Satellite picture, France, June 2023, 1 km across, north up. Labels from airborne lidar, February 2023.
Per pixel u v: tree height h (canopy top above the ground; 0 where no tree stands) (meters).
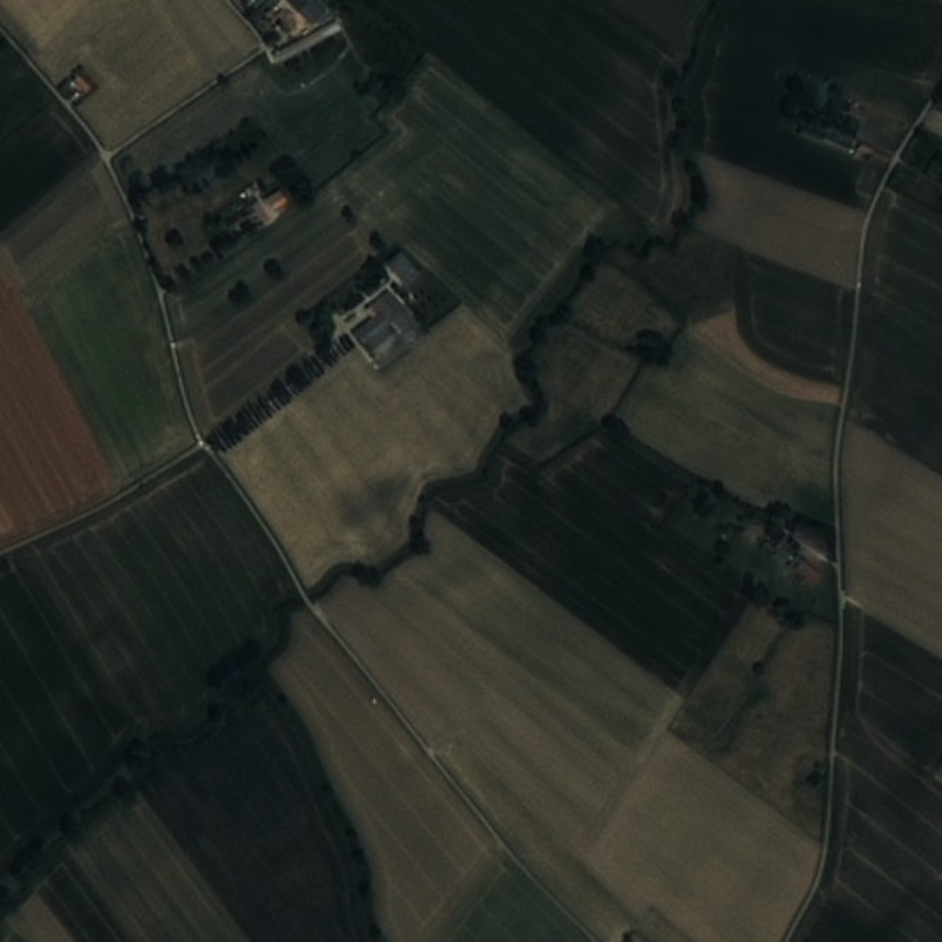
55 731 0
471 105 0
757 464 0
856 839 0
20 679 0
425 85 0
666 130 0
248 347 0
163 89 0
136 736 0
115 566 0
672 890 0
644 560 0
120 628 0
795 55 0
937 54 0
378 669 0
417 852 0
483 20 0
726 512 0
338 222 0
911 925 0
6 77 0
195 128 0
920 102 0
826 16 0
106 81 0
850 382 0
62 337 0
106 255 0
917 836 0
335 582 0
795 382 0
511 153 0
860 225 0
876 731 0
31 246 0
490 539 0
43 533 0
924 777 0
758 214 0
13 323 0
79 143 0
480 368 0
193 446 0
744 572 0
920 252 0
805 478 0
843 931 0
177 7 0
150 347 0
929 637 0
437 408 0
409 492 0
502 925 0
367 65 0
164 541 0
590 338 0
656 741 0
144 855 0
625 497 0
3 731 0
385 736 0
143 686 0
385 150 0
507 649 0
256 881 0
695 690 0
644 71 0
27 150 0
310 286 0
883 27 0
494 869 0
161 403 0
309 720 0
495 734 0
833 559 7
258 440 0
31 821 0
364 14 0
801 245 0
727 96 0
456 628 0
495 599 0
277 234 0
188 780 0
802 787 0
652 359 13
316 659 0
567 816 0
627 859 0
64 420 0
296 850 0
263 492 0
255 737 0
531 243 0
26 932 0
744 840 0
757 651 0
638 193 0
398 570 0
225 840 0
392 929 0
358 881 0
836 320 0
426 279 0
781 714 0
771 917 0
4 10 0
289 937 0
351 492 0
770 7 0
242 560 0
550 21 0
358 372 0
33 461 0
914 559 0
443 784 0
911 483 0
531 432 0
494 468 0
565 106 0
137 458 0
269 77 0
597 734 0
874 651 0
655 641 0
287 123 0
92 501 0
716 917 0
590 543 0
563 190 0
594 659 0
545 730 0
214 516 0
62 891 0
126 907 0
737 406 0
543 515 0
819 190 0
